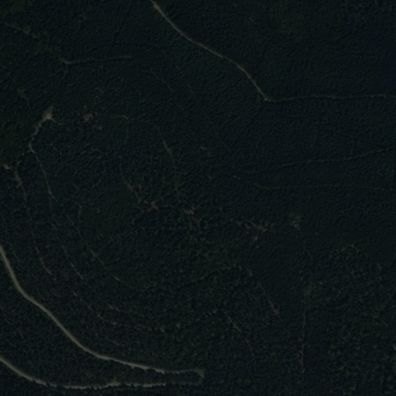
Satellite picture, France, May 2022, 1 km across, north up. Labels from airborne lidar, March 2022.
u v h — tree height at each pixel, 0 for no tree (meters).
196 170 13
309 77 13
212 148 14
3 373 32
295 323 12
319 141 15
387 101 12
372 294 25
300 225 9
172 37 13
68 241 26
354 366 24
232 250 8
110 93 9
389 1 35
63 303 26
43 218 8
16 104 21
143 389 15
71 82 10
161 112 16
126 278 23
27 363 28
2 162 13
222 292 10
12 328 26
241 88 16
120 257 9
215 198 17
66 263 30
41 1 24
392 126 16
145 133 9
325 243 9
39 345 13
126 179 21
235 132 17
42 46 16
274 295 14
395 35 19
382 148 17
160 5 13
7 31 17
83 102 8
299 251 9
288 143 18
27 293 16
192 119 18
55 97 7
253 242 11
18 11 15
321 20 7
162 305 23
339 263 18
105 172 21
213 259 8
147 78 16
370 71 11
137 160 18
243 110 17
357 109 14
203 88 15
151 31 17
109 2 12
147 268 22
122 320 12
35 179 27
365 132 9
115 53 18
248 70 20
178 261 14
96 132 9
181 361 24
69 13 22
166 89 18
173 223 26
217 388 29
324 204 11
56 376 27
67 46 19
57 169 10
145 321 12
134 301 30
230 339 25
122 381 18
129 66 14
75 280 6
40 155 8
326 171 13
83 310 32
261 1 14
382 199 10
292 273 8
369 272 30
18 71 15
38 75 23
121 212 7
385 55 16
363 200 8
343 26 15
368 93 16
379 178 14
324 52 13
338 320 28
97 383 11
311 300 8
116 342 26
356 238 10
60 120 6
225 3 16
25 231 25
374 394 25
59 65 18
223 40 23
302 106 17
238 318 23
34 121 10
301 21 7
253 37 15
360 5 29
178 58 13
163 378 27
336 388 21
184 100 19
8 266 0
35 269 28
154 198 13
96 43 16
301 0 15
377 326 27
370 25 16
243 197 15
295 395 8
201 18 14
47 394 22
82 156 7
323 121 18
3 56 12
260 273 11
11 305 25
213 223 21
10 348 30
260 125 19
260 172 16
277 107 14
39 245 29
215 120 19
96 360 20
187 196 8
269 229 12
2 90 21
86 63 14
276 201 16
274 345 22
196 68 13
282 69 19
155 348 23
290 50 19
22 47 17
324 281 16
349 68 14
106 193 24
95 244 9
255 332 20
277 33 16
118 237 22
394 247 12
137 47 16
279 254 11
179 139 17
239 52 15
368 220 7
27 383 31
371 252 12
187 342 29
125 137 10
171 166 10
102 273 11
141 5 14
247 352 24
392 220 10
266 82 20
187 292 10
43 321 27
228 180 13
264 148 15
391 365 34
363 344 23
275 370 11
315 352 19
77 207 24
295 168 18
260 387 23
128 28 14
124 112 9
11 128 16
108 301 7
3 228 10
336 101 9
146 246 18
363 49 13
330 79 10
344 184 15
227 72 8
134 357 22
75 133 13
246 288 15
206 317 23
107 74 10
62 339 26
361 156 13
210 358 14
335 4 10
